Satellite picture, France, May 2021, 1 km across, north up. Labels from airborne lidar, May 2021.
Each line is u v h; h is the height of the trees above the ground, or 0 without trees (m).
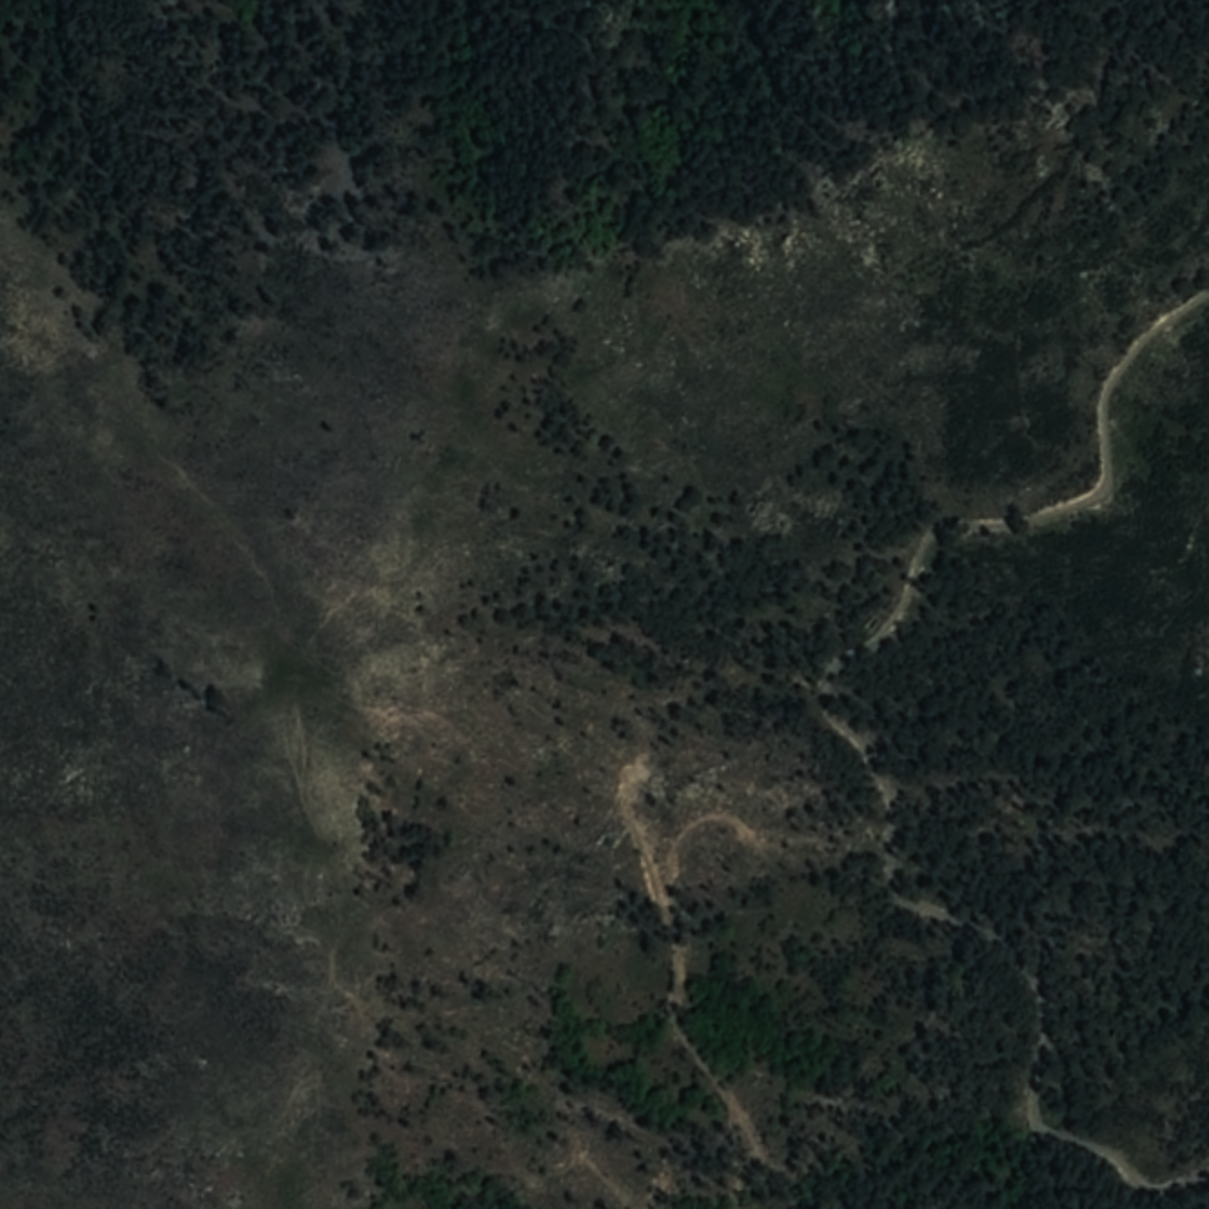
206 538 0
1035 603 7
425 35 22
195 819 0
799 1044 10
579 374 0
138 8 16
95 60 20
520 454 0
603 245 12
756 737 26
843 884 35
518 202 22
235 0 20
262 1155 0
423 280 0
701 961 0
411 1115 20
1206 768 28
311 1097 0
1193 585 6
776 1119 10
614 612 29
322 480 0
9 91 27
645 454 0
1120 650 6
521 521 26
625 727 30
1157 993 39
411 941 0
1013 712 31
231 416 0
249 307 22
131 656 0
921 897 31
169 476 0
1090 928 28
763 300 0
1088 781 26
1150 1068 31
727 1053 19
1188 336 7
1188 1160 6
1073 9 25
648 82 32
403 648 0
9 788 0
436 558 0
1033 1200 30
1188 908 36
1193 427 11
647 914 23
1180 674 6
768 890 15
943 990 24
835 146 15
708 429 0
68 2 22
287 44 22
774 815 26
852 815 21
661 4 17
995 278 8
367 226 9
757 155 22
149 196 25
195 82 16
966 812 34
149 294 0
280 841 0
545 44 20
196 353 24
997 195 6
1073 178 6
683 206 18
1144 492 7
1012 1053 29
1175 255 8
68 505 0
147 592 0
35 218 17
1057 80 18
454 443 0
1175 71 26
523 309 0
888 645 23
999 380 6
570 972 13
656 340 0
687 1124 30
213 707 13
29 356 0
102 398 0
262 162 20
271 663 0
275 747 0
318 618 0
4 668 0
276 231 20
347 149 12
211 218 14
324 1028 0
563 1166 0
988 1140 12
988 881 30
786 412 6
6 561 0
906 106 16
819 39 22
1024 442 8
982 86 26
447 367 0
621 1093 31
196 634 0
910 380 5
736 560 29
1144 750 16
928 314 6
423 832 29
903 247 0
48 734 0
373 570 0
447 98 18
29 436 0
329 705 0
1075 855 41
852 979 11
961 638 22
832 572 20
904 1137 33
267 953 0
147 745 0
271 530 0
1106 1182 30
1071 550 8
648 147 17
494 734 0
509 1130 14
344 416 0
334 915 0
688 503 21
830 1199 33
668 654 26
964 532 33
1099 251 7
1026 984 33
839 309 0
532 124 19
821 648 38
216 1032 0
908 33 24
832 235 0
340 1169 0
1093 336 7
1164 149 24
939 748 35
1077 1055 34
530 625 28
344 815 0
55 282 0
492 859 10
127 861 0
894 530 24
